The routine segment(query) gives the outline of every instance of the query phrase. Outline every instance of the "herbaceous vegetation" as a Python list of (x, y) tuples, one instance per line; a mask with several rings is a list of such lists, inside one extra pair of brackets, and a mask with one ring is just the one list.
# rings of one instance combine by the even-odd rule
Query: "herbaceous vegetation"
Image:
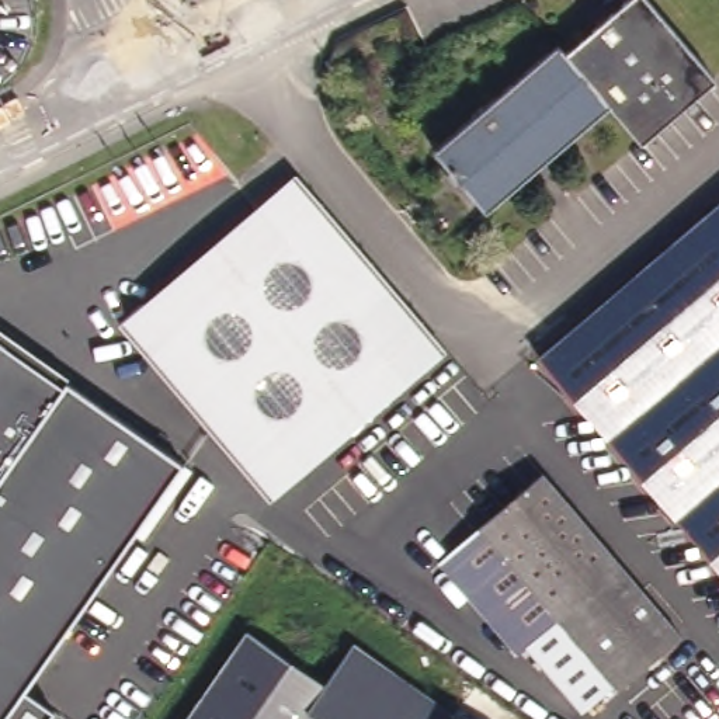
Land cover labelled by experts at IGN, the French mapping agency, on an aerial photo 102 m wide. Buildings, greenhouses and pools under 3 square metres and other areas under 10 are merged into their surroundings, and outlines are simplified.
[(452, 95), (447, 95), (421, 118), (427, 140), (438, 149), (449, 138), (455, 138), (469, 121), (475, 121), (489, 104), (494, 104), (508, 87), (514, 87), (548, 53), (576, 48), (626, 0), (536, 0), (539, 20), (553, 11), (559, 14), (559, 20), (553, 25), (531, 25), (511, 37), (506, 42), (503, 62), (483, 65), (477, 81), (461, 81)]
[(463, 202), (463, 197), (455, 194), (449, 183), (441, 177), (433, 197), (441, 213), (441, 227), (452, 227), (455, 239), (472, 239), (483, 230), (500, 230), (503, 244), (511, 250), (517, 250), (520, 242), (528, 239), (531, 230), (539, 230), (545, 219), (542, 213), (520, 213), (511, 202), (500, 202), (492, 213), (483, 216), (480, 211), (472, 211)]
[(565, 188), (593, 185), (595, 174), (607, 174), (607, 169), (618, 157), (629, 152), (632, 135), (624, 124), (598, 124), (576, 146), (581, 160), (570, 169), (567, 180), (562, 183)]
[(354, 79), (360, 81), (379, 62), (379, 48), (385, 48), (388, 39), (416, 37), (402, 0), (393, 0), (334, 28), (323, 51), (315, 56), (315, 76), (326, 76), (331, 67), (340, 65), (351, 65)]
[(657, 0), (666, 17), (697, 48), (705, 70), (719, 73), (719, 0)]
[(132, 135), (124, 135), (107, 149), (98, 149), (90, 157), (81, 157), (0, 199), (0, 216), (28, 222), (51, 205), (73, 202), (79, 185), (87, 185), (93, 191), (95, 185), (124, 180), (132, 169), (152, 160), (146, 154), (149, 143), (160, 135), (166, 143), (180, 143), (183, 138), (194, 140), (202, 135), (205, 143), (233, 174), (244, 174), (256, 163), (261, 163), (267, 157), (270, 140), (253, 121), (239, 115), (236, 110), (211, 101), (202, 110), (188, 110), (177, 118), (163, 118)]
[(388, 626), (371, 607), (360, 604), (357, 598), (326, 581), (298, 556), (289, 556), (278, 545), (267, 545), (261, 548), (261, 553), (256, 553), (250, 567), (244, 567), (244, 579), (239, 581), (236, 593), (227, 598), (225, 607), (213, 612), (202, 632), (202, 640), (183, 657), (180, 668), (174, 668), (163, 694), (149, 699), (149, 705), (143, 708), (143, 719), (185, 719), (191, 705), (199, 699), (199, 694), (213, 680), (213, 674), (219, 671), (219, 666), (225, 663), (225, 657), (242, 635), (261, 638), (292, 668), (303, 671), (320, 685), (334, 674), (334, 668), (351, 646), (368, 643), (374, 652), (393, 663), (396, 674), (402, 674), (427, 697), (433, 697), (435, 705), (449, 716), (458, 713), (458, 708), (463, 705), (463, 668), (452, 666), (452, 660), (447, 660), (444, 652), (418, 640), (416, 632), (402, 635), (393, 626)]
[(28, 53), (17, 65), (25, 73), (45, 59), (45, 51), (51, 45), (51, 0), (34, 0), (34, 39)]

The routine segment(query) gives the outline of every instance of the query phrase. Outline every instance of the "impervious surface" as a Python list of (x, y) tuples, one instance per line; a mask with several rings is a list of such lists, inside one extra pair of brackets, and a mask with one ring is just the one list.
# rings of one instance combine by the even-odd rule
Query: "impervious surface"
[(511, 8), (514, 0), (402, 0), (416, 37), (427, 37), (435, 28), (441, 28), (444, 37), (463, 31), (466, 25), (475, 25)]
[[(604, 449), (590, 449), (590, 441), (598, 438), (598, 433), (579, 430), (579, 399), (567, 393), (567, 388), (548, 365), (539, 362), (539, 354), (548, 351), (559, 337), (565, 337), (576, 323), (581, 323), (612, 292), (618, 292), (635, 272), (640, 272), (654, 256), (660, 256), (697, 219), (702, 219), (708, 211), (719, 213), (719, 93), (705, 90), (680, 118), (674, 118), (657, 138), (652, 138), (640, 149), (640, 154), (629, 152), (618, 157), (607, 169), (607, 174), (595, 174), (593, 185), (565, 188), (562, 183), (553, 180), (550, 166), (542, 163), (534, 171), (536, 177), (542, 177), (545, 191), (553, 197), (550, 216), (545, 219), (539, 230), (531, 230), (528, 239), (520, 242), (517, 250), (511, 250), (511, 258), (489, 275), (489, 281), (463, 281), (452, 275), (435, 256), (435, 250), (418, 236), (416, 219), (382, 191), (382, 185), (368, 174), (368, 169), (334, 135), (329, 112), (315, 95), (315, 76), (315, 56), (323, 51), (334, 28), (393, 0), (51, 0), (51, 45), (45, 51), (45, 59), (25, 73), (17, 65), (28, 53), (34, 39), (34, 0), (0, 0), (0, 199), (81, 157), (90, 157), (98, 149), (107, 149), (124, 135), (132, 135), (163, 118), (177, 118), (188, 110), (202, 110), (211, 101), (236, 110), (239, 115), (253, 121), (270, 140), (267, 157), (261, 163), (256, 163), (244, 174), (233, 174), (205, 143), (202, 135), (194, 140), (183, 138), (180, 143), (166, 143), (160, 135), (149, 143), (146, 154), (152, 160), (132, 169), (124, 180), (95, 185), (93, 191), (87, 185), (79, 185), (73, 202), (51, 205), (28, 222), (0, 216), (0, 331), (25, 345), (31, 354), (45, 360), (59, 374), (65, 374), (73, 390), (84, 393), (90, 402), (104, 407), (110, 416), (132, 427), (138, 435), (152, 441), (157, 449), (163, 449), (169, 458), (174, 458), (177, 463), (183, 463), (183, 469), (191, 472), (177, 497), (171, 500), (169, 511), (146, 539), (149, 550), (135, 550), (126, 559), (124, 573), (129, 573), (129, 581), (112, 581), (107, 587), (101, 601), (93, 604), (93, 615), (81, 621), (70, 646), (62, 652), (62, 657), (53, 663), (45, 680), (34, 688), (31, 697), (42, 708), (56, 713), (56, 719), (143, 719), (143, 708), (149, 705), (149, 699), (163, 694), (174, 668), (180, 668), (183, 657), (202, 640), (202, 632), (213, 612), (225, 607), (227, 598), (236, 593), (239, 581), (244, 579), (244, 567), (250, 567), (256, 553), (261, 553), (261, 548), (267, 545), (278, 545), (289, 556), (298, 556), (326, 581), (357, 598), (360, 604), (371, 607), (388, 626), (393, 626), (402, 635), (416, 632), (418, 640), (444, 652), (447, 660), (452, 660), (452, 666), (463, 668), (463, 705), (458, 708), (458, 713), (449, 716), (435, 705), (430, 719), (719, 719), (719, 559), (702, 553), (699, 548), (682, 553), (680, 545), (688, 536), (685, 522), (671, 520), (646, 494), (646, 477), (629, 469), (626, 458), (615, 452), (612, 444)], [(289, 180), (295, 180), (315, 199), (315, 205), (331, 219), (331, 225), (348, 239), (348, 244), (362, 256), (362, 261), (379, 275), (390, 295), (438, 345), (441, 362), (433, 365), (424, 376), (418, 376), (393, 404), (388, 404), (374, 421), (368, 421), (351, 441), (345, 441), (334, 455), (315, 466), (286, 494), (281, 494), (278, 500), (267, 500), (256, 489), (256, 483), (239, 469), (239, 463), (227, 455), (227, 449), (216, 441), (216, 435), (208, 427), (202, 427), (202, 421), (185, 407), (185, 402), (160, 376), (160, 371), (149, 365), (149, 360), (140, 354), (138, 340), (126, 334), (126, 320), (140, 306), (146, 306), (157, 292), (163, 292), (177, 275), (183, 275), (194, 261), (199, 261), (213, 244), (219, 244), (233, 227), (239, 227), (253, 211), (258, 211)], [(646, 609), (654, 609), (668, 626), (677, 626), (677, 638), (682, 640), (668, 654), (668, 666), (663, 660), (646, 657), (632, 674), (629, 688), (615, 694), (598, 713), (579, 713), (567, 702), (567, 697), (550, 682), (550, 677), (536, 668), (534, 657), (511, 657), (503, 640), (494, 635), (494, 629), (466, 607), (463, 590), (449, 579), (449, 565), (461, 559), (466, 550), (472, 550), (477, 542), (472, 531), (483, 528), (536, 480), (545, 480), (565, 500), (565, 506), (579, 517), (579, 522), (612, 556), (621, 573), (640, 590), (640, 595), (649, 604)]]

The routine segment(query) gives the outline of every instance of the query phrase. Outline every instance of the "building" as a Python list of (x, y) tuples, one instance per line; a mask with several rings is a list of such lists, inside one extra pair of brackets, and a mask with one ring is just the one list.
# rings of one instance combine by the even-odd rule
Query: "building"
[(441, 177), (449, 183), (455, 194), (463, 197), (463, 202), (472, 211), (480, 211), (483, 216), (492, 213), (500, 202), (511, 202), (517, 191), (522, 191), (536, 177), (534, 171), (542, 163), (550, 166), (562, 152), (576, 146), (598, 124), (624, 124), (632, 135), (629, 152), (640, 154), (640, 149), (652, 138), (657, 138), (674, 118), (680, 118), (705, 90), (719, 93), (719, 73), (705, 70), (697, 48), (666, 17), (657, 0), (626, 0), (576, 48), (548, 53), (514, 87), (508, 87), (494, 104), (489, 104), (475, 121), (469, 121), (455, 138), (449, 138), (438, 149), (435, 163), (441, 166)]
[(126, 334), (138, 340), (140, 354), (149, 360), (149, 365), (160, 371), (160, 376), (185, 402), (185, 407), (202, 421), (202, 427), (208, 427), (216, 435), (216, 441), (227, 449), (227, 455), (239, 463), (239, 469), (256, 483), (256, 489), (267, 500), (278, 500), (281, 494), (286, 494), (315, 466), (334, 455), (345, 441), (351, 441), (368, 421), (374, 421), (388, 404), (393, 404), (418, 376), (424, 376), (433, 365), (441, 362), (438, 345), (390, 295), (379, 275), (362, 261), (362, 256), (348, 244), (348, 239), (331, 225), (331, 219), (315, 205), (315, 199), (295, 180), (289, 180), (258, 211), (253, 211), (239, 227), (233, 227), (219, 244), (213, 244), (199, 261), (194, 261), (183, 275), (177, 275), (163, 292), (157, 292), (146, 306), (140, 306), (126, 320)]
[(449, 579), (463, 590), (466, 607), (494, 629), (494, 635), (503, 640), (511, 657), (534, 657), (536, 668), (550, 677), (550, 682), (567, 697), (567, 702), (579, 713), (598, 713), (615, 694), (629, 688), (632, 674), (646, 657), (663, 660), (668, 666), (668, 654), (682, 640), (677, 638), (677, 626), (668, 626), (654, 609), (646, 609), (649, 604), (640, 595), (640, 590), (621, 573), (612, 556), (579, 522), (579, 517), (565, 506), (565, 500), (545, 480), (536, 480), (483, 528), (472, 531), (477, 542), (472, 550), (466, 550), (461, 559), (449, 565)]
[(626, 458), (629, 469), (646, 477), (646, 494), (671, 520), (685, 522), (688, 536), (680, 545), (682, 553), (699, 548), (702, 553), (719, 559), (719, 213), (708, 211), (702, 219), (697, 219), (660, 256), (654, 256), (640, 272), (635, 272), (618, 292), (612, 292), (581, 323), (576, 323), (565, 337), (559, 337), (548, 351), (539, 354), (539, 362), (548, 365), (567, 388), (567, 393), (579, 399), (579, 430), (598, 433), (598, 438), (590, 441), (590, 449), (604, 449), (612, 444), (615, 452)]
[(149, 550), (146, 539), (169, 511), (171, 500), (177, 497), (191, 472), (183, 469), (183, 463), (177, 463), (174, 458), (169, 458), (163, 449), (157, 449), (152, 441), (138, 435), (132, 427), (110, 416), (104, 407), (90, 402), (84, 393), (73, 390), (65, 374), (59, 374), (45, 360), (31, 354), (25, 345), (0, 331), (0, 719), (56, 719), (56, 713), (42, 708), (31, 697), (34, 688), (45, 680), (53, 663), (62, 657), (62, 652), (70, 646), (81, 621), (93, 615), (93, 604), (101, 601), (107, 587), (112, 581), (129, 581), (129, 573), (124, 573), (126, 559), (135, 550)]
[(199, 694), (199, 699), (191, 705), (185, 719), (430, 719), (435, 705), (433, 697), (427, 697), (402, 674), (396, 674), (393, 663), (374, 652), (368, 643), (351, 646), (334, 668), (334, 674), (320, 685), (303, 671), (292, 668), (261, 638), (242, 635), (225, 657), (225, 663), (219, 666), (219, 671), (213, 674), (213, 680)]

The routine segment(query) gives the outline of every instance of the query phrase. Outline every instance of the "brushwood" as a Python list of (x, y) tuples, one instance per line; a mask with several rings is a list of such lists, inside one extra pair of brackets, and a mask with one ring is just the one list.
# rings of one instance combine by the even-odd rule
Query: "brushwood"
[(562, 183), (567, 180), (570, 169), (581, 160), (576, 146), (562, 152), (550, 166), (553, 180)]
[(542, 177), (536, 177), (522, 191), (517, 191), (511, 202), (520, 213), (542, 213), (545, 219), (550, 216), (553, 197), (545, 191)]
[(531, 25), (553, 25), (559, 20), (559, 14), (553, 11), (539, 20), (536, 0), (514, 0), (511, 8), (475, 25), (466, 25), (463, 31), (444, 37), (441, 28), (435, 28), (427, 37), (416, 37), (388, 39), (385, 48), (379, 48), (379, 62), (360, 81), (354, 79), (351, 65), (340, 65), (331, 67), (326, 76), (315, 76), (315, 95), (329, 112), (334, 135), (368, 169), (368, 174), (382, 185), (382, 191), (416, 219), (418, 236), (435, 250), (435, 256), (452, 275), (463, 281), (489, 281), (489, 275), (511, 258), (511, 250), (503, 244), (500, 230), (483, 230), (472, 239), (455, 239), (452, 227), (441, 227), (441, 213), (433, 197), (441, 177), (441, 166), (435, 163), (438, 149), (427, 140), (421, 118), (447, 95), (452, 95), (461, 81), (477, 81), (483, 65), (503, 62), (506, 42), (511, 37)]

